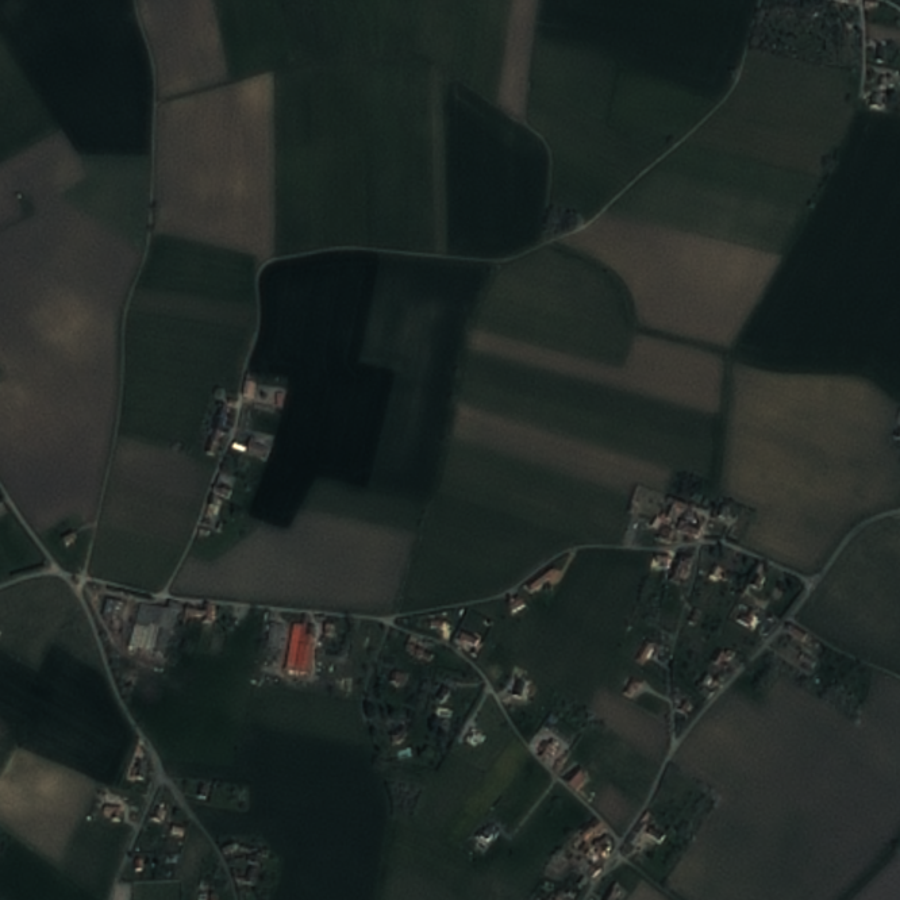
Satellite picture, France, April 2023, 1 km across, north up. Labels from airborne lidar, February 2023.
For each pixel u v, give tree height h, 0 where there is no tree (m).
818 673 0
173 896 0
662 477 0
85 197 0
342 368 0
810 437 0
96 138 0
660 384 0
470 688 0
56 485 0
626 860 0
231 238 0
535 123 0
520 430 0
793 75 0
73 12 0
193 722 0
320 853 0
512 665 0
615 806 0
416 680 0
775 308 0
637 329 0
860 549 0
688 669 9
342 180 0
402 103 0
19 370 0
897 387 0
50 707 0
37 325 0
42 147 0
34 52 0
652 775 0
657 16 0
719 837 0
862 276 0
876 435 0
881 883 0
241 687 0
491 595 0
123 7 0
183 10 0
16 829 0
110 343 0
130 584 0
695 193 0
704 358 0
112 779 0
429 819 0
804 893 0
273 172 0
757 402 0
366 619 0
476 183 0
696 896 0
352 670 0
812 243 0
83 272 0
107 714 0
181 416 0
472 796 0
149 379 0
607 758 0
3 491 0
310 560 0
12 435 0
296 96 0
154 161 0
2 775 0
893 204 0
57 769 0
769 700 0
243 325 0
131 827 0
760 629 0
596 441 0
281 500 0
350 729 0
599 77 0
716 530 0
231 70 0
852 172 0
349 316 0
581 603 0
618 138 0
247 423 0
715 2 0
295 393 0
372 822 0
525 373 0
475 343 0
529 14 0
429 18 0
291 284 0
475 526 0
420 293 0
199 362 0
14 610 0
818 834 0
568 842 12
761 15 12
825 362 0
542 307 0
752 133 0
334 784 0
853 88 0
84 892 0
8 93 0
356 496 0
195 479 0
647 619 7
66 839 0
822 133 0
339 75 0
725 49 0
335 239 0
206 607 0
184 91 0
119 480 0
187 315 0
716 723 0
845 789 0
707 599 0
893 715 0
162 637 0
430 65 0
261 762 0
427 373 0
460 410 0
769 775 0
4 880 0
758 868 0
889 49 8
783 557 0
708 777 0
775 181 0
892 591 0
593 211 0
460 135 0
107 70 0
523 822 0
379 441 0
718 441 0
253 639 0
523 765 0
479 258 0
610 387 0
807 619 0
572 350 0
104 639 8
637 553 0
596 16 0
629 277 0
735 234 0
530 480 0
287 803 0
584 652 0
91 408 0
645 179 0
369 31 0
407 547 0
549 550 0
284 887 0
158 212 10
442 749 15
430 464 0
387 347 0
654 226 0
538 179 0
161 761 0
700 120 0
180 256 0
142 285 0
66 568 0
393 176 0
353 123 0
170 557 0
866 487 0
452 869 0
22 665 0
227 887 6
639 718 0
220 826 0
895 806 0
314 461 0
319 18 0
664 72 0
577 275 0
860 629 0
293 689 0
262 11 0
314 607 0
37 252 0
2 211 0
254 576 0
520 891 0
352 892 0
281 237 0
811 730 0
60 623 0
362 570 0
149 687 0
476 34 0
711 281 0
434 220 0
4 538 0
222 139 0
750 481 0
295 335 0
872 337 0
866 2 0
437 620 0
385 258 0
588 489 0
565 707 7
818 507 0
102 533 0
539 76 0
